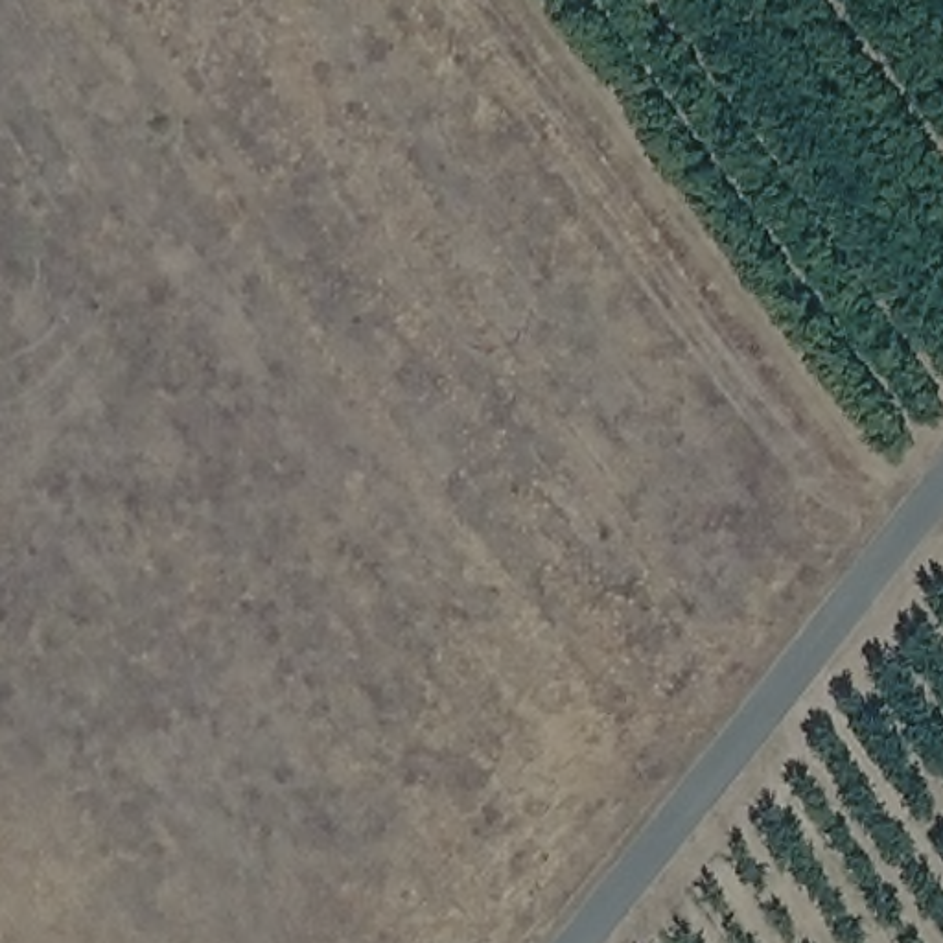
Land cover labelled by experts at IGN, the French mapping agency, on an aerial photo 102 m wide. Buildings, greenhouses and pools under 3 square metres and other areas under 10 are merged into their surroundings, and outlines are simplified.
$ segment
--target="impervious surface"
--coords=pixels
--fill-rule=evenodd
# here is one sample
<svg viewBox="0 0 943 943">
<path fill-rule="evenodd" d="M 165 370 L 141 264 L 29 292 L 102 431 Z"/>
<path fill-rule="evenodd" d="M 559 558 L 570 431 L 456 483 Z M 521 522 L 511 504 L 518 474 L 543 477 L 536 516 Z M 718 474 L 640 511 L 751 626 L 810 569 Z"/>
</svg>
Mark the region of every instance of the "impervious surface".
<svg viewBox="0 0 943 943">
<path fill-rule="evenodd" d="M 788 707 L 814 681 L 821 663 L 851 634 L 851 626 L 869 611 L 873 597 L 891 582 L 902 560 L 943 516 L 943 453 L 917 486 L 906 508 L 869 545 L 869 556 L 862 560 L 855 578 L 836 589 L 836 597 L 810 623 L 810 630 L 774 670 L 774 678 L 759 689 L 748 711 L 726 729 L 715 751 L 678 788 L 667 810 L 652 821 L 652 829 L 637 840 L 637 847 L 600 884 L 600 891 L 586 902 L 586 910 L 556 943 L 604 943 L 611 928 L 626 917 L 626 910 L 637 902 L 637 895 L 652 884 L 652 877 L 674 858 L 674 851 L 704 821 L 704 814 L 722 799 L 733 777 L 751 763 L 763 740 L 777 729 Z"/>
</svg>

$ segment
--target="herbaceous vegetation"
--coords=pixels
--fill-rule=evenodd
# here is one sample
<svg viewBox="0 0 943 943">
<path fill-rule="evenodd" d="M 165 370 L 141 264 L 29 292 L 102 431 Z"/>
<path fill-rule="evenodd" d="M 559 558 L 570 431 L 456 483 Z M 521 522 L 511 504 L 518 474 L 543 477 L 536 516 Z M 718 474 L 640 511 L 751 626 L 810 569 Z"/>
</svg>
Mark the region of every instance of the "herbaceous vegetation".
<svg viewBox="0 0 943 943">
<path fill-rule="evenodd" d="M 943 453 L 943 416 L 936 424 L 906 424 L 910 446 L 899 460 L 888 460 L 866 442 L 862 449 L 855 449 L 855 457 L 873 479 L 914 479 L 917 486 Z"/>
<path fill-rule="evenodd" d="M 777 729 L 763 740 L 751 763 L 733 777 L 722 799 L 704 814 L 704 821 L 674 851 L 674 858 L 652 877 L 652 884 L 637 895 L 637 902 L 626 910 L 626 917 L 611 928 L 604 943 L 840 943 L 810 891 L 796 884 L 788 869 L 781 869 L 781 862 L 766 847 L 766 836 L 755 829 L 755 821 L 766 818 L 774 807 L 792 810 L 825 880 L 840 891 L 847 914 L 858 917 L 858 943 L 943 943 L 943 932 L 932 917 L 921 914 L 902 869 L 884 858 L 869 829 L 844 803 L 832 770 L 807 740 L 818 737 L 818 729 L 836 729 L 840 744 L 869 781 L 884 814 L 902 825 L 902 832 L 914 844 L 914 855 L 943 888 L 943 774 L 932 770 L 932 763 L 921 751 L 906 751 L 906 766 L 917 770 L 932 796 L 932 807 L 917 818 L 899 796 L 899 788 L 884 777 L 877 759 L 866 751 L 836 700 L 851 689 L 866 696 L 873 693 L 869 663 L 902 663 L 906 641 L 925 623 L 925 611 L 917 611 L 917 604 L 925 600 L 925 589 L 943 586 L 943 516 L 902 560 L 891 582 L 873 597 L 869 611 L 851 626 L 851 634 L 821 663 L 814 681 L 788 707 Z M 829 836 L 810 818 L 807 803 L 792 792 L 792 781 L 803 774 L 810 774 L 814 785 L 825 792 L 829 810 L 844 818 L 851 840 L 866 851 L 873 873 L 895 888 L 899 917 L 888 928 L 877 921 L 873 906 L 858 891 L 851 869 L 844 866 L 844 855 L 829 844 Z M 740 844 L 763 866 L 763 888 L 748 888 L 737 877 L 729 847 Z"/>
</svg>

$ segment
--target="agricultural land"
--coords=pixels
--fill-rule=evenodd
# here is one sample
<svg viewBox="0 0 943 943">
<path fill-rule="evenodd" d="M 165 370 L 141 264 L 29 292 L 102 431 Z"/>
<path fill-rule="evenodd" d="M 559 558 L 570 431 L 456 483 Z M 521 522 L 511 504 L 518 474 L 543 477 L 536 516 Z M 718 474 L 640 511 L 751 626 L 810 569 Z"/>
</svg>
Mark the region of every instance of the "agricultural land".
<svg viewBox="0 0 943 943">
<path fill-rule="evenodd" d="M 678 788 L 715 751 L 726 729 L 748 711 L 759 689 L 774 678 L 774 670 L 810 630 L 810 623 L 836 597 L 836 589 L 855 578 L 862 560 L 869 556 L 869 545 L 906 508 L 917 486 L 914 479 L 873 479 L 855 457 L 855 449 L 862 449 L 866 442 L 862 427 L 818 383 L 799 346 L 785 339 L 785 328 L 774 324 L 759 295 L 751 295 L 740 284 L 729 254 L 704 228 L 704 217 L 681 195 L 681 188 L 656 173 L 615 88 L 604 85 L 567 44 L 564 29 L 545 11 L 545 0 L 0 0 L 0 943 L 556 943 L 586 910 L 586 902 L 600 891 L 600 884 L 637 847 L 637 840 L 652 829 L 652 821 L 667 810 Z"/>
</svg>

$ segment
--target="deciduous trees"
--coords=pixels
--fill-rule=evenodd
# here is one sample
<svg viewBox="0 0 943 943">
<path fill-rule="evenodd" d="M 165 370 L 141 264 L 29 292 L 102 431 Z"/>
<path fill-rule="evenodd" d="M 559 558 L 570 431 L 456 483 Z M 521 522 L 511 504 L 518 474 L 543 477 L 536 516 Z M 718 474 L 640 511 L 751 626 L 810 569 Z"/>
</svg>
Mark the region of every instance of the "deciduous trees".
<svg viewBox="0 0 943 943">
<path fill-rule="evenodd" d="M 740 844 L 729 847 L 737 877 L 748 888 L 763 888 L 763 866 Z"/>
<path fill-rule="evenodd" d="M 836 729 L 818 729 L 818 737 L 807 740 L 832 770 L 844 803 L 869 829 L 884 858 L 902 869 L 921 914 L 932 917 L 943 932 L 943 888 L 914 855 L 914 844 L 902 832 L 902 825 L 884 814 L 869 781 L 840 744 Z"/>
<path fill-rule="evenodd" d="M 906 751 L 921 751 L 932 763 L 932 770 L 943 774 L 943 586 L 925 589 L 925 600 L 917 604 L 917 611 L 925 611 L 925 623 L 906 641 L 902 663 L 869 663 L 873 693 L 866 696 L 851 689 L 836 700 L 866 751 L 877 759 L 884 777 L 899 788 L 899 796 L 917 818 L 932 807 L 932 796 L 917 770 L 906 766 Z"/>
<path fill-rule="evenodd" d="M 866 851 L 851 840 L 844 818 L 829 810 L 825 792 L 814 785 L 810 774 L 803 774 L 792 781 L 792 792 L 807 803 L 810 818 L 829 836 L 829 844 L 844 855 L 844 866 L 851 869 L 858 891 L 873 906 L 877 921 L 888 928 L 899 917 L 895 888 L 873 873 Z"/>
<path fill-rule="evenodd" d="M 774 324 L 785 328 L 785 339 L 799 346 L 818 383 L 862 427 L 866 442 L 888 460 L 899 460 L 910 446 L 906 424 L 936 424 L 943 416 L 943 0 L 545 0 L 545 11 L 564 29 L 567 44 L 604 85 L 615 88 L 656 173 L 681 188 L 681 195 L 704 217 L 704 228 L 729 254 L 740 284 L 751 295 L 759 295 Z"/>
<path fill-rule="evenodd" d="M 840 891 L 825 880 L 792 810 L 774 807 L 766 818 L 755 821 L 755 829 L 766 836 L 766 847 L 781 862 L 781 869 L 788 869 L 796 884 L 810 891 L 840 943 L 858 943 L 858 917 L 847 914 Z"/>
</svg>

